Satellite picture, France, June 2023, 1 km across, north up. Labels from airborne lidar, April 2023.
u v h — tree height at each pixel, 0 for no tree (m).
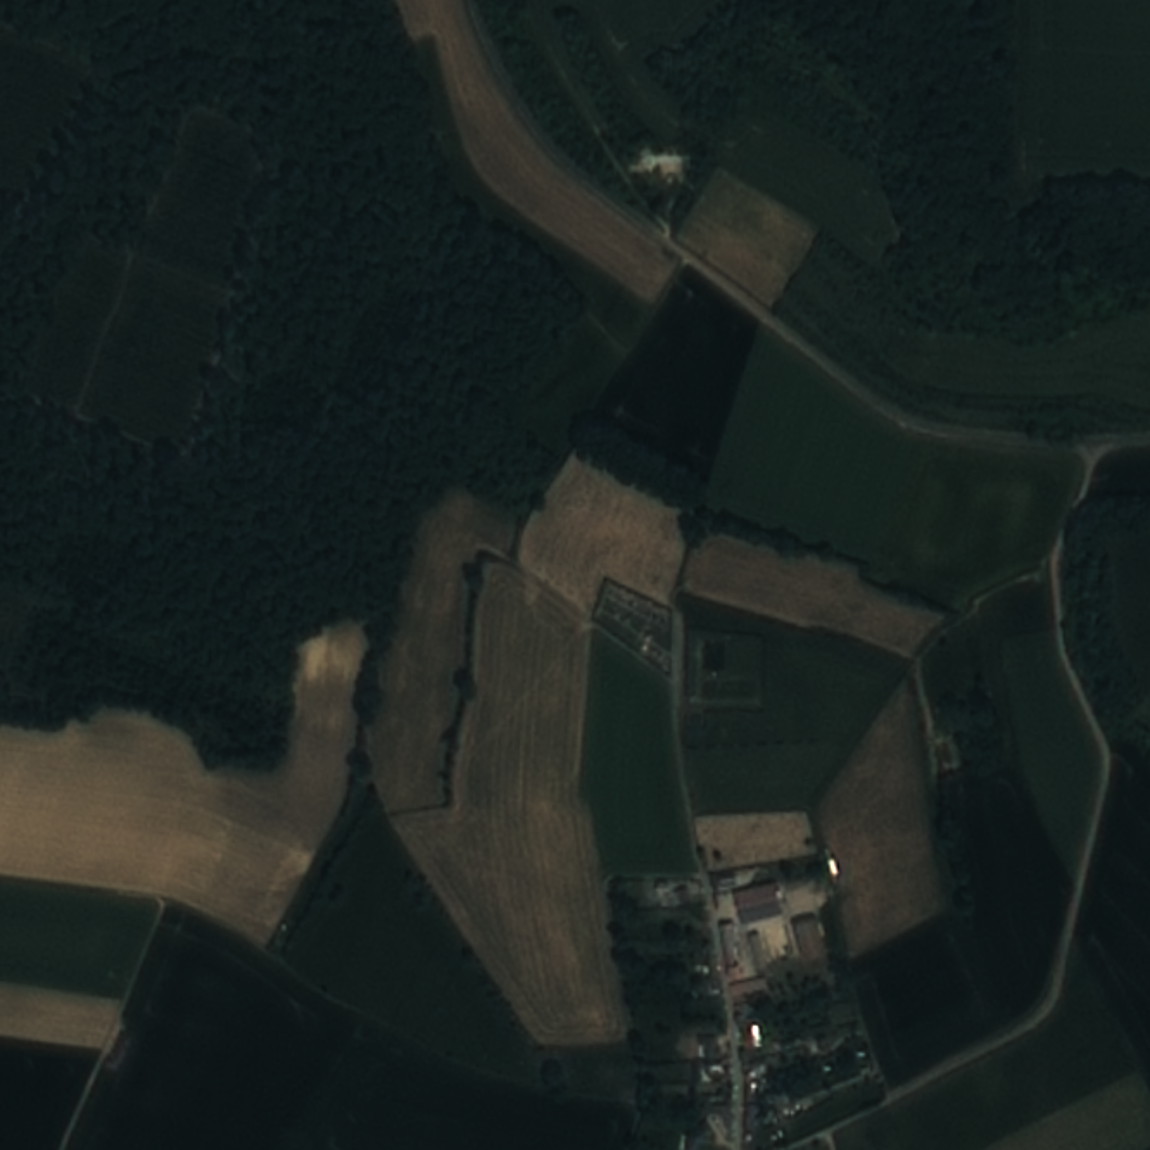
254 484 21
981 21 22
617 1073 0
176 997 0
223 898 0
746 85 9
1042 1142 0
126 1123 0
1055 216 17
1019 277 21
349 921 0
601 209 0
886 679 0
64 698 6
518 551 0
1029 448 0
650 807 0
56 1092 0
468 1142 0
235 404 21
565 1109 0
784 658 0
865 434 0
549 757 0
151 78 24
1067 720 0
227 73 18
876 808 0
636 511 0
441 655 0
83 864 0
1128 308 12
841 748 0
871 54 24
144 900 0
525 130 0
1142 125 0
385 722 0
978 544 0
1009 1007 0
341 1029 0
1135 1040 0
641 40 0
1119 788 0
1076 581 9
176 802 0
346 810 8
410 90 23
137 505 17
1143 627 0
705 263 0
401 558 22
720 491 0
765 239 0
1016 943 0
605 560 0
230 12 20
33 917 0
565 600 0
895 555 0
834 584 0
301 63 22
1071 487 0
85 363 0
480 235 29
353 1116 0
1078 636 7
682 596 0
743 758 0
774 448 0
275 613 25
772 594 0
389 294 10
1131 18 0
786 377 0
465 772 0
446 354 25
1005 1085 0
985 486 0
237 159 0
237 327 24
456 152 0
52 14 23
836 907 0
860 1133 0
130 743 0
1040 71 0
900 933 0
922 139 23
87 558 8
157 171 25
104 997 0
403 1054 0
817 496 0
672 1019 0
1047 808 0
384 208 26
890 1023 0
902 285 9
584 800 0
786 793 0
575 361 0
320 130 21
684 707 0
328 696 0
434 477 22
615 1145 0
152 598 18
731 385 0
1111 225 18
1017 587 0
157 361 0
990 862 0
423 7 0
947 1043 0
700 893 0
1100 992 0
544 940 0
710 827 0
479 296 27
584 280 0
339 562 22
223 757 13
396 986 0
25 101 0
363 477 23
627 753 0
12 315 25
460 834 0
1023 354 0
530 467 12
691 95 10
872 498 0
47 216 29
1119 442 0
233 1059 0
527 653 0
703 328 0
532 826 0
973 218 22
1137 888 0
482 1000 0
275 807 0
